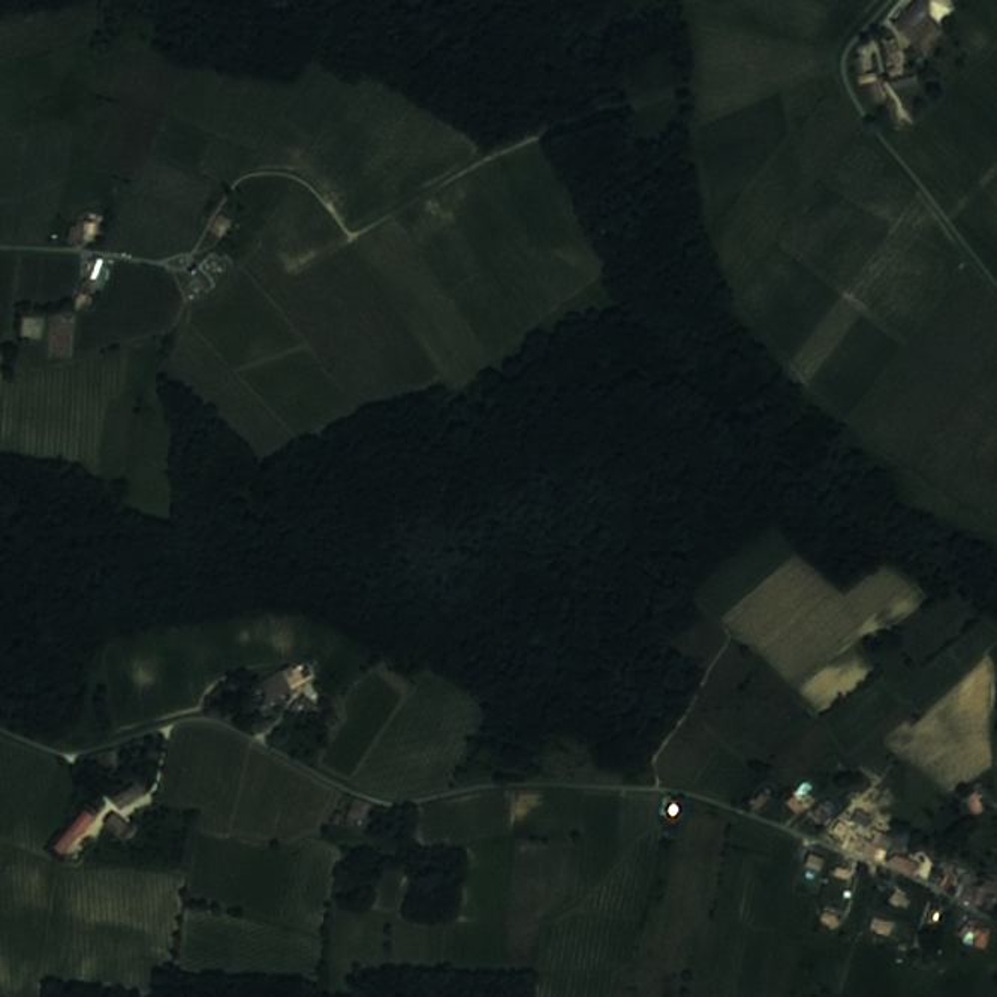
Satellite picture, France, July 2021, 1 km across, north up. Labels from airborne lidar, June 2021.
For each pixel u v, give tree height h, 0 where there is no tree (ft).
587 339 78
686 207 55
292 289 0
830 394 0
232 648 0
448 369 0
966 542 52
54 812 0
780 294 0
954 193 0
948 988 0
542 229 0
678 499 73
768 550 0
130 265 0
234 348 0
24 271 0
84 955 0
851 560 66
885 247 0
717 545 69
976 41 0
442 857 43
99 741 0
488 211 0
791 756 0
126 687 0
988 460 0
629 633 84
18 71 0
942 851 31
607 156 92
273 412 0
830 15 0
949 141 0
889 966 0
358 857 54
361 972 26
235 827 0
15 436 0
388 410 68
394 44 88
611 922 0
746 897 0
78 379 0
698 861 0
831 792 0
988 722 0
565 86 73
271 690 0
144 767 43
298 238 0
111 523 64
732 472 64
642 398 87
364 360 0
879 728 0
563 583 55
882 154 0
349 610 69
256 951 0
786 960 0
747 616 0
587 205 81
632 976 0
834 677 0
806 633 0
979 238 0
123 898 0
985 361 0
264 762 0
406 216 0
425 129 0
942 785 0
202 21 56
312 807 0
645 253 68
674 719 48
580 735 21
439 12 89
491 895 0
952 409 0
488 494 67
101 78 0
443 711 0
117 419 0
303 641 0
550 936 0
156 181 0
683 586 76
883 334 0
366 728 0
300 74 51
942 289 0
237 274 0
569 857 0
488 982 42
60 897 0
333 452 70
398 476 83
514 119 62
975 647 0
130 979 0
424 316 0
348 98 0
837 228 0
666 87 0
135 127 0
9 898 0
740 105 0
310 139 0
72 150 0
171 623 57
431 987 77
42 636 72
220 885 0
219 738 0
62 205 0
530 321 0
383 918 0
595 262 0
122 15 24
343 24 83
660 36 71
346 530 72
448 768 0
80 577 78
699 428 70
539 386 60
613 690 44
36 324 0
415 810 42
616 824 0
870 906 0
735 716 0
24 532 78
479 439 94
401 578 38
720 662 0
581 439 70
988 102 0
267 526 81
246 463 60
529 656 80
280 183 0
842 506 46
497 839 0
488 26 91
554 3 82
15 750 0
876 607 0
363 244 0
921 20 0
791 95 0
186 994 60
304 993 60
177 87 0
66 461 52
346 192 0
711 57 0
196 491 64
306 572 64
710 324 49
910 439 0
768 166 0
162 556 51
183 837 20
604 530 85
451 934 0
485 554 61
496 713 39
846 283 0
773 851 0
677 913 0
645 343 79
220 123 0
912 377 0
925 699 0
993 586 36
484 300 0
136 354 0
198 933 0
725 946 0
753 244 0
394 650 55
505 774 39
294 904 0
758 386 33
